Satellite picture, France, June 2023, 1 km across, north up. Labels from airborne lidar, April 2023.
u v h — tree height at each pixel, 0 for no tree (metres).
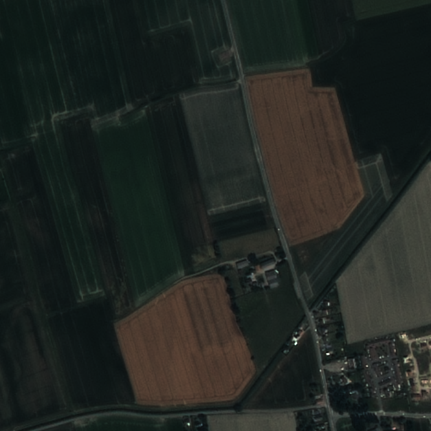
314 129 0
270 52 0
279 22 0
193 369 0
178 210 0
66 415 0
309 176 0
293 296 0
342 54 0
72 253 0
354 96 0
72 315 0
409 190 0
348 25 0
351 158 0
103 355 0
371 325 0
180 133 0
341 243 0
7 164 0
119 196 0
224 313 0
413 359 0
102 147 0
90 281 0
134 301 0
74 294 0
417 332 0
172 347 0
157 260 0
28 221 0
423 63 0
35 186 0
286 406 0
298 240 0
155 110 0
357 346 0
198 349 0
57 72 0
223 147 0
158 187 0
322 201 0
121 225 0
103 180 0
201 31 0
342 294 0
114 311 0
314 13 0
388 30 0
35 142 0
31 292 0
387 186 0
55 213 0
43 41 0
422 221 0
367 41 0
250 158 0
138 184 0
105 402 0
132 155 0
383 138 0
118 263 0
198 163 0
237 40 0
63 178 0
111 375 0
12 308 0
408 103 0
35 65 0
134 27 0
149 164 0
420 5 0
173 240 0
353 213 0
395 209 0
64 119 0
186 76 0
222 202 0
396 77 0
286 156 0
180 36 0
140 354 0
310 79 0
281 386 0
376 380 0
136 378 0
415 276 0
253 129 0
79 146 0
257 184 0
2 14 0
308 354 0
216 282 0
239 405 14
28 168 0
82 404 0
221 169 0
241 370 0
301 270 0
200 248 0
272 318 0
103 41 0
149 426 0
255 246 0
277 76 0
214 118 0
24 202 0
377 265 0
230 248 0
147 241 0
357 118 0
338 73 0
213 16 0
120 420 0
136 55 0
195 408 0
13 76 0
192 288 0
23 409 0
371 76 0
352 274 0
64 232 0
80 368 0
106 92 0
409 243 0
